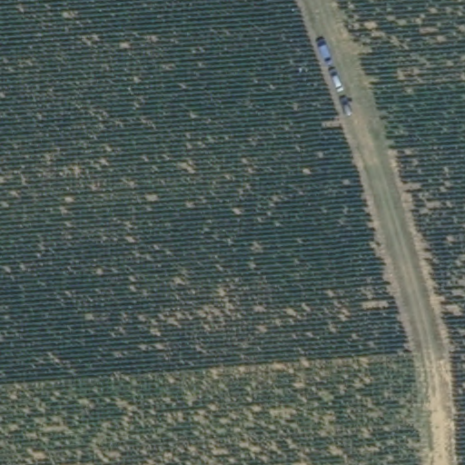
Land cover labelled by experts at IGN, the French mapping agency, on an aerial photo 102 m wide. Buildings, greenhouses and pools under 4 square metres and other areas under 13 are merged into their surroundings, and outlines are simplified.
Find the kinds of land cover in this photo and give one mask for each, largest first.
<instances>
[{"label":"vineyard","instance_id":"1","mask_svg":"<svg viewBox=\"0 0 465 465\"><path fill-rule=\"evenodd\" d=\"M336 118V109L332 104L329 87L323 80L318 54L314 53L309 35L305 31L302 13L296 5V0H0V465H421L420 452L423 443L420 441V432L416 430L420 425L416 405L420 391L416 385L414 361L409 347L405 345L407 336L398 320L396 300L391 292L387 291L389 282L383 278V260L372 251L374 229L371 227V214L367 213V203L363 200V187L358 169L352 162L351 147L345 140L341 127H323V122ZM345 15L343 27L352 36V42L363 47H371V53L361 54V67L367 76H376V82L372 84V94L380 111V120L385 124L387 140H392V149L398 156L401 180L420 183L418 189H412L409 193L414 203L412 216L416 229L427 242L425 251L430 252L427 263L432 272V280L436 282V294L443 296L441 314L449 331L450 343L454 345V351L450 356V372L452 396L458 414L454 421L456 450L449 452V465H465V0H336Z\"/></svg>","mask_w":465,"mask_h":465},{"label":"herbaceous vegetation","instance_id":"2","mask_svg":"<svg viewBox=\"0 0 465 465\"><path fill-rule=\"evenodd\" d=\"M296 5L302 13L305 31L309 35L314 53L318 54L323 80L329 87L332 104L336 109V118L323 122V127H341L345 140L351 147L352 162L358 169L363 187V200L367 203V213L371 214V227L374 229L372 251L383 260V278L389 282L387 291L391 292L396 300L398 320L407 336L405 345L409 347L414 361L416 385L420 391L416 405L420 425L416 430L420 432V441L423 443L420 452L421 465H449V452L456 450L454 421L458 414L452 396L450 372V356L454 351V345L450 343L449 331L441 314L443 296L436 294V282L432 280V272L427 263L430 252L425 251L427 242L416 229L412 216L414 203L409 193L412 189H418L420 183L401 180L398 156L392 149V140H387L385 124L380 120V111L372 94V84L376 82V76H367L361 67V54L371 53V47H363L352 42V36L343 27L345 15L336 0H296Z\"/></svg>","mask_w":465,"mask_h":465}]
</instances>
